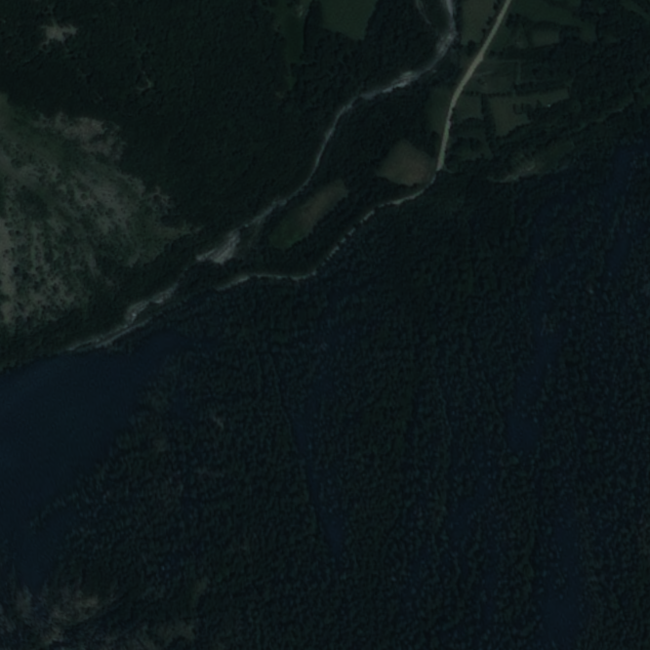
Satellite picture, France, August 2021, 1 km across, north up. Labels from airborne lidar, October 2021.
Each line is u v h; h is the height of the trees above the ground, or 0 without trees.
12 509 10
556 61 14
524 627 29
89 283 10
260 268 17
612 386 16
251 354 17
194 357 10
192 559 19
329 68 6
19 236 10
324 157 9
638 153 17
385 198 13
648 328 20
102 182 0
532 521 11
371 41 15
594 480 23
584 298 29
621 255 9
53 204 0
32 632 10
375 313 21
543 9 0
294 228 0
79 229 0
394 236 13
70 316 10
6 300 11
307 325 14
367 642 24
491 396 25
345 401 24
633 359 28
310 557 23
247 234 12
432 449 12
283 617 18
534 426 12
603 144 8
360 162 9
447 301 29
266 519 15
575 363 26
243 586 18
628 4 0
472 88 0
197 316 8
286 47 21
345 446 25
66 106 12
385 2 13
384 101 13
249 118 16
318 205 0
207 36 15
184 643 15
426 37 17
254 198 23
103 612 8
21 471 14
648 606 22
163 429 7
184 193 17
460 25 9
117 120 10
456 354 19
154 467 19
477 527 18
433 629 18
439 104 0
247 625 15
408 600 16
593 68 22
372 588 24
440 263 22
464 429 20
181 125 16
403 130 7
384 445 20
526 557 29
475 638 24
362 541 17
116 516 16
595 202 19
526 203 15
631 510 18
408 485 23
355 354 23
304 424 9
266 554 16
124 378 9
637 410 14
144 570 18
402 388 21
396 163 0
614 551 12
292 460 18
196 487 17
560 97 0
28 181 0
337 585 31
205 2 16
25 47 17
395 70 13
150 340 12
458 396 24
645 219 23
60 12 21
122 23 18
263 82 15
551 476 13
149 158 13
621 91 15
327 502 9
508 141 11
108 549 17
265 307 16
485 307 25
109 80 21
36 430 8
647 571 15
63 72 18
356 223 13
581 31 6
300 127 24
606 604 19
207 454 13
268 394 17
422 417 27
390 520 12
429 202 6
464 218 10
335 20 0
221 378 25
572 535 6
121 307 11
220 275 12
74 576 12
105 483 8
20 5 15
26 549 7
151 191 10
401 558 21
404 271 24
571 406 19
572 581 12
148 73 20
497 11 11
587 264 19
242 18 22
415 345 22
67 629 8
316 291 22
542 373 30
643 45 21
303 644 22
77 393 7
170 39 19
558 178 9
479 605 20
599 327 15
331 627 22
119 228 6
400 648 17
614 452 25
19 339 12
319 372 6
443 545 27
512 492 18
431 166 0
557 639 8
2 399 8
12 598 7
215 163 16
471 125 12
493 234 27
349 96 10
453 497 18
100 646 6
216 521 23
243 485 9
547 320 18
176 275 15
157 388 8
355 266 7
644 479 13
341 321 14
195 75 14
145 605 15
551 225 18
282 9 0
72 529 12
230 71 17
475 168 15
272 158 19
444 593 17
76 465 8
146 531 22
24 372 11
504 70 0
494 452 8
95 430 6
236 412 19
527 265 21
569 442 11
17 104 15
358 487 19
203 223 10
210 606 21
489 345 23
